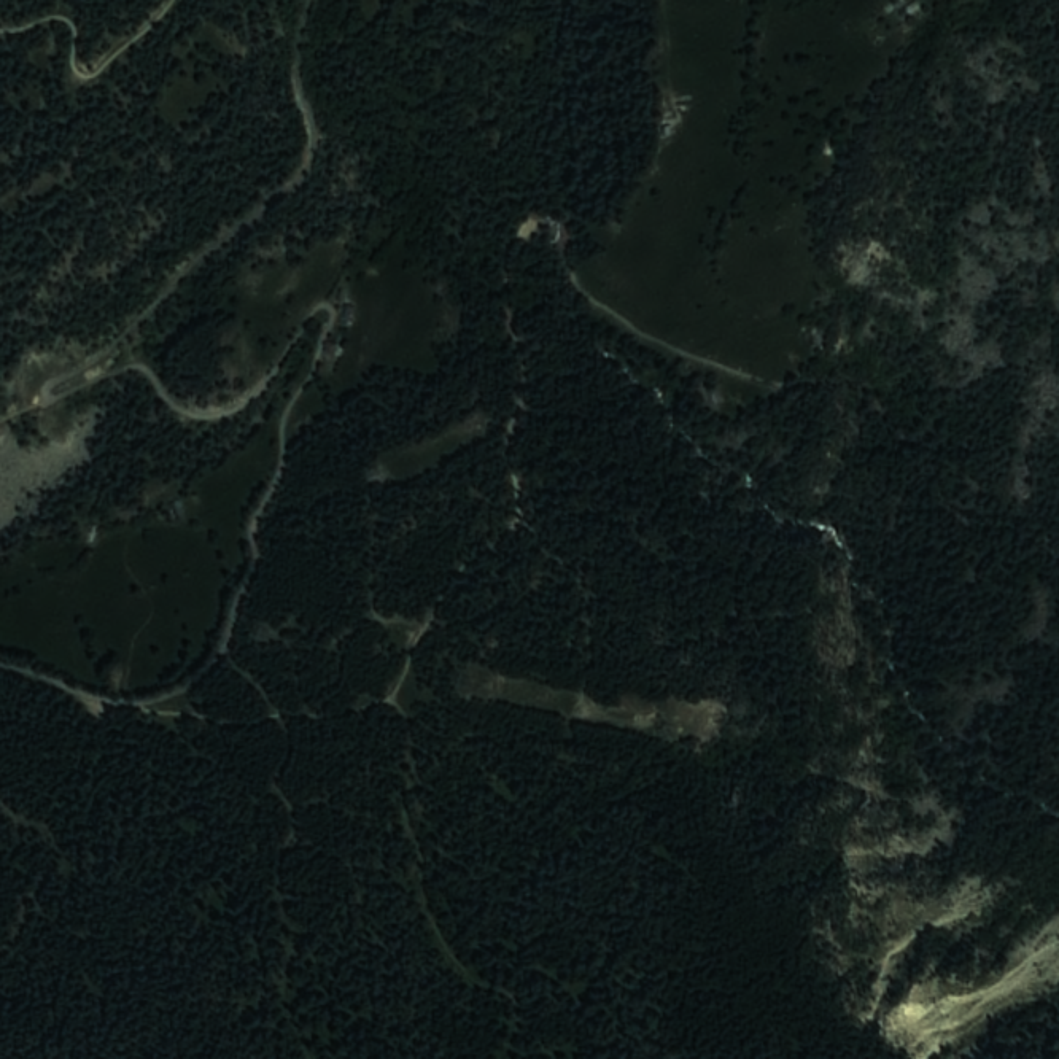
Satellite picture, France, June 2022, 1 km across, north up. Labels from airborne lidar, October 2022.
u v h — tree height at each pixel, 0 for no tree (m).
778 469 14
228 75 21
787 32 0
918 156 31
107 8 10
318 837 15
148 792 22
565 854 26
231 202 16
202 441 13
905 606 33
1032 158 18
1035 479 13
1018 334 10
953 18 10
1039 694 25
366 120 20
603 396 30
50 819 17
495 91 13
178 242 29
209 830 26
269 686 18
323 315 0
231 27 15
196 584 0
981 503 22
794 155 0
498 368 16
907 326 6
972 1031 0
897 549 37
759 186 0
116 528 10
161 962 27
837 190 16
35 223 26
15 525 12
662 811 13
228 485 0
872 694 8
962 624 29
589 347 23
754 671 23
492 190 13
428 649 14
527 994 27
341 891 17
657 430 32
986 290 6
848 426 12
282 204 25
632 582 19
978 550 19
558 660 15
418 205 13
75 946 14
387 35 20
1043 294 15
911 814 6
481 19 27
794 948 14
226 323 14
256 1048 10
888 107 22
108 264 8
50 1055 18
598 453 18
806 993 23
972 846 17
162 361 13
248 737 16
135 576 0
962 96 19
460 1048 17
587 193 24
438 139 25
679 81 0
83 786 27
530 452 16
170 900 25
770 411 22
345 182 8
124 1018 15
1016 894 11
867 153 17
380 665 15
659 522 36
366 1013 10
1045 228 9
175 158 26
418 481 14
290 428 0
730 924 17
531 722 18
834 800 11
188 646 18
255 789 16
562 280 19
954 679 9
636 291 0
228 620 16
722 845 25
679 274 0
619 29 29
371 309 0
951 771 29
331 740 21
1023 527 28
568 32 37
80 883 13
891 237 18
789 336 0
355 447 25
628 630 24
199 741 17
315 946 31
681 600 34
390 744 16
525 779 13
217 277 22
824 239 11
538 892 28
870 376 9
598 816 22
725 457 8
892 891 6
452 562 14
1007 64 10
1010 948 8
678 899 26
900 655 15
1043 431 6
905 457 27
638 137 28
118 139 18
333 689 16
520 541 24
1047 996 9
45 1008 19
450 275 21
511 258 25
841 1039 13
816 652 8
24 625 0
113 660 20
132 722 18
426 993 25
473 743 23
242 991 32
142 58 19
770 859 32
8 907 17
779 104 0
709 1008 21
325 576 15
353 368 0
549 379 26
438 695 14
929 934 19
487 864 27
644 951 24
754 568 30
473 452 22
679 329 0
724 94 0
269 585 14
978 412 19
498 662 12
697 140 0
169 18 14
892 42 0
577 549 17
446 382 22
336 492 6
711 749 11
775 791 31
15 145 21
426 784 11
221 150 23
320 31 16
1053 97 17
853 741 12
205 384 11
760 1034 16
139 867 29
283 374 9
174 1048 25
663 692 9
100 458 21
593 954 12
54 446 0
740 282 0
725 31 0
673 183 0
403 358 0
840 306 14
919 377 8
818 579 18
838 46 0
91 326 13
